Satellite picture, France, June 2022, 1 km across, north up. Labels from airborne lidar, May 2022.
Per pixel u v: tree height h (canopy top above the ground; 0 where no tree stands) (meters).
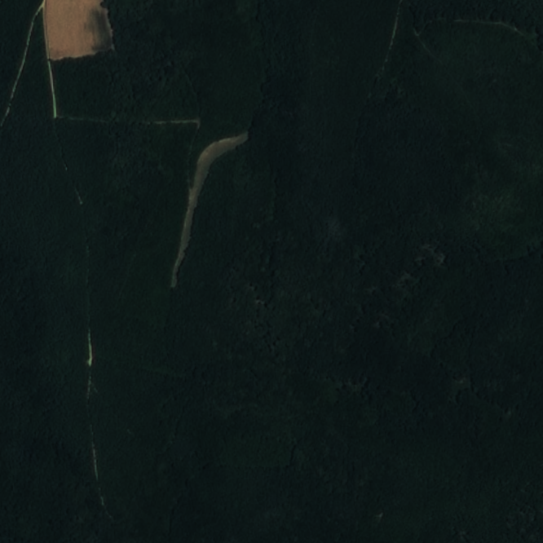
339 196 13
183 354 11
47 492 8
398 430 20
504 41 7
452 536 19
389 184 12
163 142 8
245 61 7
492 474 13
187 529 19
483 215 9
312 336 20
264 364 20
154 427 13
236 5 12
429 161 14
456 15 24
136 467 9
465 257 29
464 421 17
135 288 8
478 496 12
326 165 11
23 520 11
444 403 19
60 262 12
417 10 19
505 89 10
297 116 12
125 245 15
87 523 13
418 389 23
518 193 7
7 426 12
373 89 9
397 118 13
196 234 13
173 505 8
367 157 19
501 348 11
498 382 18
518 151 6
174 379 18
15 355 17
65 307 11
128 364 8
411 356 9
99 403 9
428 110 5
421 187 13
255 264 15
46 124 10
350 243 12
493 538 14
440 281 7
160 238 7
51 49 0
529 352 12
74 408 11
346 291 18
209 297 9
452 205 11
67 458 11
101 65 10
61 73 7
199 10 7
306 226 7
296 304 16
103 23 0
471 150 9
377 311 20
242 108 11
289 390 16
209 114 10
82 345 11
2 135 7
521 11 18
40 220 11
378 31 7
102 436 8
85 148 13
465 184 6
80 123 10
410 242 16
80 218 9
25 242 11
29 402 12
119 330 8
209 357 14
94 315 11
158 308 8
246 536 13
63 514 7
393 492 13
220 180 7
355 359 20
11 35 7
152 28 13
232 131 12
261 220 10
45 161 10
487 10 19
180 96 6
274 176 12
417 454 10
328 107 9
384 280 17
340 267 12
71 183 9
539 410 16
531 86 5
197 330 10
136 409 15
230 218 9
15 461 9
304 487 19
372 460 17
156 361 16
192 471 17
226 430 14
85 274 10
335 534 22
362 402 9
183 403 14
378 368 25
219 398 19
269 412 17
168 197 8
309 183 11
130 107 11
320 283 14
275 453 9
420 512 11
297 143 13
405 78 8
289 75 9
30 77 6
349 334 19
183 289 12
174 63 17
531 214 8
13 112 6
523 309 8
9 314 14
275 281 14
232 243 7
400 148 14
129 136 17
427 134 16
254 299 18
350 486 19
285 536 21
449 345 11
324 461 17
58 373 9
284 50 10
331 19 7
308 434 20
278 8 10
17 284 14
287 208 6
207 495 21
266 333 19
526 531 8
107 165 14
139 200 13
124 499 6
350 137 9
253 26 7
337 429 14
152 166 21
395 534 10
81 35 0
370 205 10
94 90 7
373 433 9
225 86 10
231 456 6
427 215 11
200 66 10
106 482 5
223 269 7
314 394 7
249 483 12
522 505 16
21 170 9
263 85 18
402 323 8
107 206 14
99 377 9
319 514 21
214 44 12
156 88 21
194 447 13
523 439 12
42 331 13
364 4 7
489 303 16
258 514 15
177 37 12
